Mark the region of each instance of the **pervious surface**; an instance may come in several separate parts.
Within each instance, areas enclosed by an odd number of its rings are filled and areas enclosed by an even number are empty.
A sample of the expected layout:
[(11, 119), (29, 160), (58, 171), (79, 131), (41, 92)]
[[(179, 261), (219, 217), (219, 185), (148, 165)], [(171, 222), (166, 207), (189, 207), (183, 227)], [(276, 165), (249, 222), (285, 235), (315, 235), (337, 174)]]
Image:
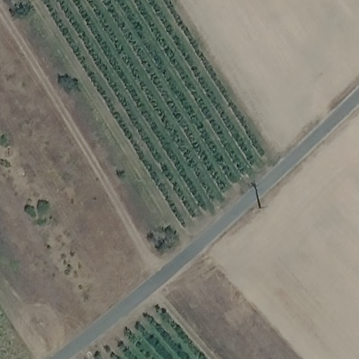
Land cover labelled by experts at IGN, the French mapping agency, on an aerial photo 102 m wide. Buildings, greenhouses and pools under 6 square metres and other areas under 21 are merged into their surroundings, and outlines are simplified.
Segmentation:
[(88, 165), (100, 179), (101, 187), (114, 205), (116, 215), (128, 230), (137, 252), (143, 258), (144, 271), (149, 272), (151, 276), (167, 264), (157, 251), (147, 237), (136, 229), (132, 217), (119, 199), (118, 192), (102, 170), (90, 144), (84, 139), (69, 111), (60, 118), (76, 140)]

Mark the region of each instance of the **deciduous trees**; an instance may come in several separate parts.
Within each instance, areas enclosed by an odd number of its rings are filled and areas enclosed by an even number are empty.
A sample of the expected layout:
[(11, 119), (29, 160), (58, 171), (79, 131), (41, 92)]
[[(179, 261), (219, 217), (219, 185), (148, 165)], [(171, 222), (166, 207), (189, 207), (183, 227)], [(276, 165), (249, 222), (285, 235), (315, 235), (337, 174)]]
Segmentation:
[(132, 334), (132, 331), (125, 332), (129, 338), (128, 344), (123, 345), (122, 341), (119, 341), (116, 353), (108, 349), (108, 359), (206, 359), (182, 328), (172, 321), (167, 311), (156, 304), (154, 309), (160, 314), (161, 323), (156, 323), (150, 314), (143, 313), (149, 323), (143, 327), (136, 321), (135, 334)]
[(63, 74), (57, 76), (57, 83), (62, 88), (66, 93), (81, 91), (76, 77)]
[(177, 230), (172, 227), (153, 227), (147, 237), (157, 251), (163, 254), (165, 250), (177, 247)]
[(28, 15), (32, 8), (29, 0), (3, 0), (11, 17), (14, 18)]
[(199, 49), (198, 39), (194, 38), (182, 21), (181, 15), (175, 11), (171, 0), (42, 0), (182, 226), (185, 226), (184, 216), (170, 198), (171, 194), (177, 192), (191, 216), (195, 216), (195, 209), (199, 206), (215, 215), (213, 201), (224, 202), (223, 192), (229, 189), (241, 174), (250, 174), (252, 170), (264, 170), (262, 156), (265, 150), (259, 142), (261, 132), (250, 116), (244, 116), (237, 107), (237, 95), (230, 86), (224, 86), (220, 77), (217, 77), (215, 69)]

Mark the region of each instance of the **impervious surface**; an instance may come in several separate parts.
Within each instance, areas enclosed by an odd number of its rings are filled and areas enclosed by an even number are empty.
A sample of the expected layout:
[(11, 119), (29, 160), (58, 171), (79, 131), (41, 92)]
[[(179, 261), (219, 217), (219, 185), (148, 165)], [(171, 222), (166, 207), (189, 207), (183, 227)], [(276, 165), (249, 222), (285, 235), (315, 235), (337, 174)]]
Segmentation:
[(262, 209), (259, 195), (268, 191), (306, 154), (346, 115), (353, 118), (359, 114), (359, 90), (331, 115), (325, 121), (299, 146), (296, 149), (262, 181), (257, 184), (252, 182), (252, 191), (248, 192), (245, 198), (167, 264), (151, 276), (114, 310), (109, 311), (107, 316), (65, 348), (60, 349), (52, 359), (77, 359), (74, 356), (76, 352), (86, 348), (122, 317), (128, 316), (130, 311), (136, 309), (143, 300), (156, 292), (158, 287), (194, 258), (251, 203), (257, 202), (258, 209), (261, 209)]

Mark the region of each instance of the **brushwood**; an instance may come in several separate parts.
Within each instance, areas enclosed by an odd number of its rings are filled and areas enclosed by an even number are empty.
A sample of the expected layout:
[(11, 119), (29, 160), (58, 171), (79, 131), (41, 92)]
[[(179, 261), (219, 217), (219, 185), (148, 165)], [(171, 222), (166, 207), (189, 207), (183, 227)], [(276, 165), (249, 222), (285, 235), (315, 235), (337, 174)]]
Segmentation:
[(48, 201), (41, 199), (36, 206), (25, 205), (25, 212), (32, 217), (34, 224), (56, 226), (59, 223), (59, 216), (49, 208)]

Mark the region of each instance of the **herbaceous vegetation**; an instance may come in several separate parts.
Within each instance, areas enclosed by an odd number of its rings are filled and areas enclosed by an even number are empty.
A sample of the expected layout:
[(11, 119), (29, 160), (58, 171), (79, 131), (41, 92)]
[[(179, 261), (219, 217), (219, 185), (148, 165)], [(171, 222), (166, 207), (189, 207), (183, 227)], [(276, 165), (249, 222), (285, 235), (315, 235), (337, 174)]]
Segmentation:
[(226, 234), (237, 234), (245, 224), (251, 223), (252, 217), (257, 216), (261, 209), (258, 209), (257, 202), (251, 203), (194, 258), (195, 261), (203, 259), (206, 264), (216, 265), (215, 258), (209, 255), (213, 244), (222, 240)]
[(316, 121), (303, 126), (302, 132), (296, 136), (296, 144), (299, 146), (325, 121), (318, 116)]
[(306, 163), (306, 154), (268, 191), (259, 195), (262, 209), (268, 208), (266, 203), (279, 194), (280, 187), (289, 182), (290, 175), (297, 171), (300, 165)]
[(335, 100), (332, 100), (328, 107), (328, 114), (331, 115), (359, 90), (359, 74)]
[(265, 150), (262, 156), (264, 170), (252, 170), (250, 174), (241, 174), (229, 189), (223, 192), (224, 202), (213, 201), (215, 215), (199, 206), (195, 209), (195, 216), (191, 216), (177, 192), (171, 194), (170, 198), (184, 216), (185, 226), (182, 226), (42, 0), (29, 0), (32, 8), (28, 15), (14, 18), (18, 31), (27, 39), (35, 56), (38, 57), (43, 72), (53, 84), (57, 83), (57, 76), (63, 74), (76, 77), (81, 91), (66, 93), (62, 88), (59, 94), (69, 111), (84, 139), (90, 144), (102, 170), (118, 192), (119, 199), (132, 217), (136, 229), (147, 237), (153, 227), (172, 227), (177, 230), (177, 247), (165, 250), (163, 254), (157, 251), (167, 264), (245, 198), (248, 192), (252, 191), (252, 182), (257, 184), (262, 181), (296, 149), (294, 146), (287, 146), (287, 149), (282, 151)]

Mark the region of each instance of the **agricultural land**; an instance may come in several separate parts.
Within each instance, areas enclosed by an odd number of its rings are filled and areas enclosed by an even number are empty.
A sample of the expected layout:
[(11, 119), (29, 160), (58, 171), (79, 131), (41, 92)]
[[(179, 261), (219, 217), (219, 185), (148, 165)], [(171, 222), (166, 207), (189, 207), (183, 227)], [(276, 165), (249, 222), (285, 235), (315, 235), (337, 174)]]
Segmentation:
[[(149, 272), (144, 271), (143, 258), (137, 252), (128, 230), (116, 215), (114, 205), (101, 187), (100, 179), (88, 165), (76, 140), (60, 118), (69, 111), (59, 94), (62, 88), (57, 83), (53, 84), (43, 72), (38, 57), (35, 56), (27, 39), (18, 31), (14, 18), (11, 17), (3, 0), (0, 0), (0, 359), (52, 359), (60, 349), (65, 348), (107, 316), (109, 311), (114, 310), (151, 276)], [(59, 223), (56, 226), (34, 224), (32, 217), (25, 212), (25, 205), (36, 206), (41, 199), (48, 201), (49, 208), (59, 216)]]
[(297, 171), (290, 175), (289, 182), (280, 187), (279, 194), (266, 203), (268, 208), (262, 209), (261, 209), (257, 216), (252, 217), (251, 223), (245, 224), (237, 234), (226, 234), (222, 240), (213, 244), (209, 255), (215, 258), (216, 265), (206, 264), (203, 259), (195, 261), (187, 271), (181, 273), (181, 278), (175, 280), (178, 289), (168, 293), (165, 299), (170, 300), (175, 310), (189, 325), (196, 325), (196, 334), (208, 348), (215, 351), (212, 359), (359, 359), (359, 114), (353, 118), (346, 115), (306, 154), (306, 163), (300, 165)]
[(199, 49), (215, 69), (217, 77), (220, 77), (224, 86), (230, 86), (237, 95), (237, 107), (244, 116), (250, 116), (261, 132), (259, 142), (265, 150), (282, 151), (287, 149), (287, 146), (294, 146), (296, 149), (299, 146), (296, 144), (296, 136), (302, 132), (303, 126), (316, 121), (318, 116), (325, 121), (331, 115), (328, 114), (328, 107), (332, 100), (335, 100), (359, 74), (359, 0), (171, 0), (175, 11), (181, 15), (182, 21), (194, 38), (198, 39)]

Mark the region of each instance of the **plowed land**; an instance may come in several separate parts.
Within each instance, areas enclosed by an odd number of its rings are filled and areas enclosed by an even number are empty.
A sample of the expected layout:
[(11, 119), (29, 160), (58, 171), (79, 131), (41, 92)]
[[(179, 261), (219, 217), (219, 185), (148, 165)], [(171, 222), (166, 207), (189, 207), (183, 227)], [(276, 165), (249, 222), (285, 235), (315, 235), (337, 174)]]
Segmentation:
[(161, 323), (160, 314), (154, 309), (156, 304), (167, 311), (172, 321), (182, 328), (206, 359), (212, 359), (215, 351), (208, 348), (196, 334), (196, 325), (189, 325), (175, 310), (170, 300), (165, 299), (168, 293), (178, 289), (175, 280), (181, 278), (181, 273), (187, 271), (195, 261), (194, 258), (158, 287), (156, 292), (143, 300), (136, 309), (130, 311), (128, 316), (122, 317), (86, 348), (76, 352), (74, 356), (77, 359), (108, 359), (108, 349), (116, 353), (119, 341), (122, 341), (123, 345), (128, 344), (129, 338), (125, 332), (132, 331), (132, 334), (135, 334), (136, 321), (143, 327), (149, 323), (143, 313), (150, 314), (156, 323)]

